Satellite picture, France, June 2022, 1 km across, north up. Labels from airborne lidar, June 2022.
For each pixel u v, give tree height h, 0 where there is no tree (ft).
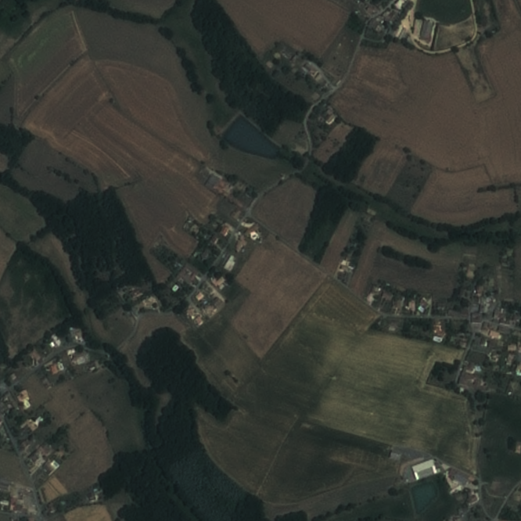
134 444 0
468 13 0
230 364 0
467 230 66
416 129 0
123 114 0
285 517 34
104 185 0
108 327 0
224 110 0
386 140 0
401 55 0
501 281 0
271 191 0
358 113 0
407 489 0
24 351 32
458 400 0
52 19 0
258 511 60
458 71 0
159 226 0
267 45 0
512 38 0
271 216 0
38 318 0
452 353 0
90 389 0
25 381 0
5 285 0
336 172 64
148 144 0
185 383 49
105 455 0
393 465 0
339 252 0
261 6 0
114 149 0
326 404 0
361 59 0
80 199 55
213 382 0
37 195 65
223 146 40
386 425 0
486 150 0
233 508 25
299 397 0
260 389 0
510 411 0
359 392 0
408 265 47
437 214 0
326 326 0
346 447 0
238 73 25
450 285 0
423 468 0
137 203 0
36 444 0
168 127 0
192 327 0
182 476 56
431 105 0
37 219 0
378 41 0
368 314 0
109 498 25
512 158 0
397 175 0
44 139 0
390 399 0
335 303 0
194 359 28
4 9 24
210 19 45
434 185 0
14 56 0
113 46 0
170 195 0
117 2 0
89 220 72
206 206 0
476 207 0
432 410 0
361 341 0
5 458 0
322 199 68
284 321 0
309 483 0
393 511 0
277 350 0
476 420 31
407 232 63
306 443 0
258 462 0
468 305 26
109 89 0
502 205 0
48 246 0
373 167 0
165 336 50
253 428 0
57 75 0
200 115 0
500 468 0
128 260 44
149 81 0
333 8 0
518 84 0
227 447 0
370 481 0
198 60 0
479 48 0
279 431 0
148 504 56
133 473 53
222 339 0
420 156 0
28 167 0
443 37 0
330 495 0
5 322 0
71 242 51
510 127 0
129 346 0
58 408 0
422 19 23
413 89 0
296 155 39
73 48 0
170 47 0
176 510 80
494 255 0
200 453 35
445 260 0
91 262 60
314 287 0
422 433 0
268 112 40
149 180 0
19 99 0
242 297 0
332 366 0
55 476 0
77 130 0
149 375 37
